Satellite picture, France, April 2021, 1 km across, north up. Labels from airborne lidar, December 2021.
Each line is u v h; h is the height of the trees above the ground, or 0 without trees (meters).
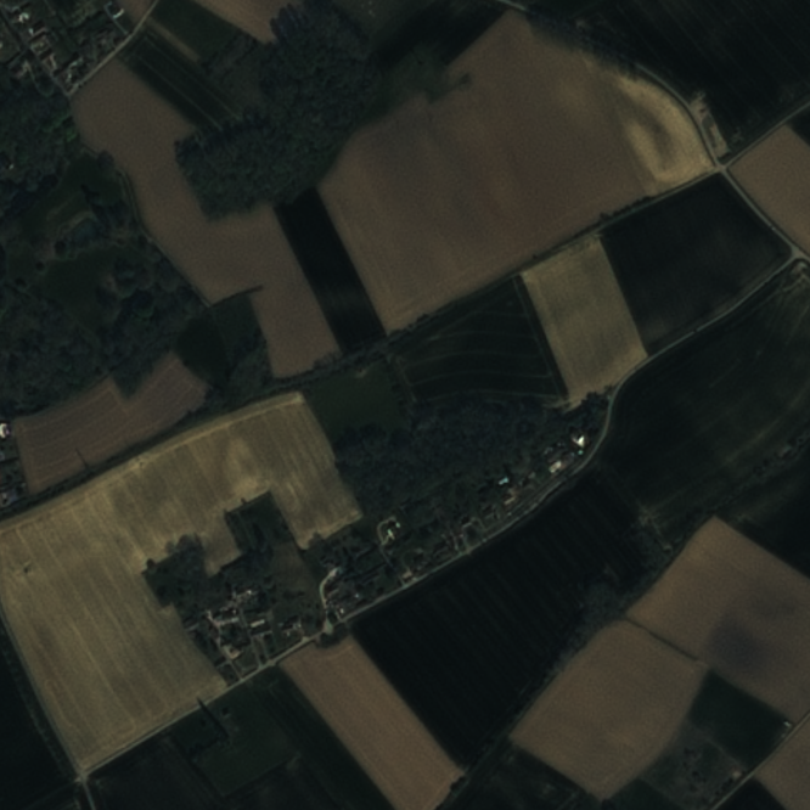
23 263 0
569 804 0
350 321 0
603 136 0
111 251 0
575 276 0
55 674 0
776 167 0
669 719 0
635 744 0
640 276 0
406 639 0
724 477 0
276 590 10
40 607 0
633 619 0
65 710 0
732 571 0
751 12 0
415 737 0
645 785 0
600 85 0
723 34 0
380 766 0
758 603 0
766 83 0
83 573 0
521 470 6
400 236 0
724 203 0
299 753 0
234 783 0
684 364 0
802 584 0
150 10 0
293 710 0
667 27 0
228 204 22
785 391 0
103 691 0
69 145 19
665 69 0
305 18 23
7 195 17
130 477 0
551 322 0
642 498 0
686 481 0
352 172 0
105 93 0
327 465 0
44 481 0
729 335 0
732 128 0
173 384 0
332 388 0
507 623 0
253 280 0
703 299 0
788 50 0
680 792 0
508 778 0
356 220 0
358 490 14
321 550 10
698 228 0
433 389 0
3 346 26
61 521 0
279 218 0
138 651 0
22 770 0
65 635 0
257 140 26
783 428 0
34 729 0
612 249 0
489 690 0
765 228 0
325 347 0
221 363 0
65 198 0
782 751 0
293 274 0
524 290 0
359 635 0
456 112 0
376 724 0
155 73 0
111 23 7
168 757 0
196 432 0
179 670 0
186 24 0
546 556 0
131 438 0
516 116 0
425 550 10
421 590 0
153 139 0
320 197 0
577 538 0
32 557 0
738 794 0
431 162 0
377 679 0
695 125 0
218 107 0
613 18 0
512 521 0
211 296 0
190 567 24
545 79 0
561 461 0
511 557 0
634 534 10
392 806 0
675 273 0
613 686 0
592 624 20
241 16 0
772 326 0
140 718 0
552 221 0
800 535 0
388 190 0
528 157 0
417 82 0
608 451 0
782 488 0
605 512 0
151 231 0
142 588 0
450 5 0
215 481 0
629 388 0
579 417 6
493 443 28
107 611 0
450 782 0
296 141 33
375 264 0
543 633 0
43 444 0
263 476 0
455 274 0
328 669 0
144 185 0
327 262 0
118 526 0
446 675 0
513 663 0
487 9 0
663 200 0
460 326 0
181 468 0
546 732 0
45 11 0
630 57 0
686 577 0
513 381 0
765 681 0
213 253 0
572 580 0
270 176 24
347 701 0
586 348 0
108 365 25
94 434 0
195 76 0
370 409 0
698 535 0
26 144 23
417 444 17
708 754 0
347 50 26
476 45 0
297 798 0
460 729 0
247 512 9
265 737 0
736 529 0
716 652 0
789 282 0
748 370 0
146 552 0
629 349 0
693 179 0
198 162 24
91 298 0
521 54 0
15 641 0
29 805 0
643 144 0
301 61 38
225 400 14
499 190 0
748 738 0
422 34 0
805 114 0
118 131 0
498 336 0
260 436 0
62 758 0
